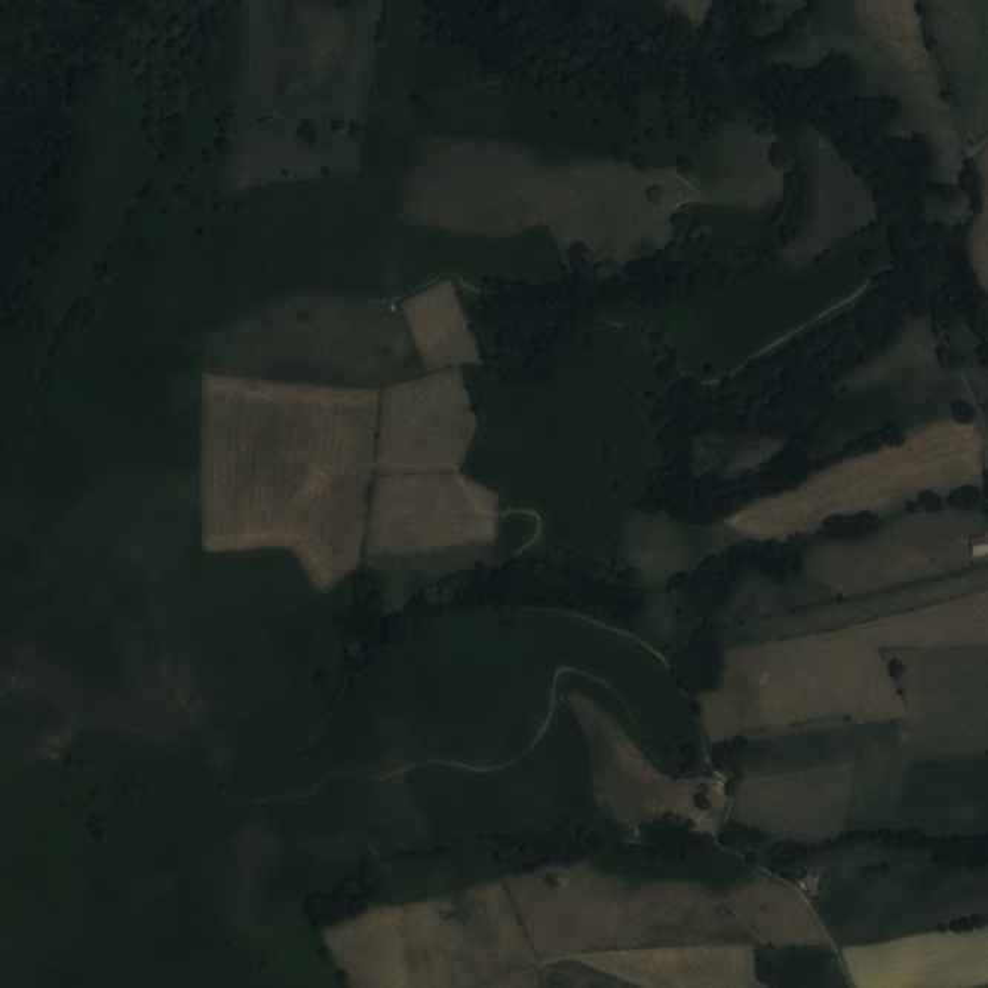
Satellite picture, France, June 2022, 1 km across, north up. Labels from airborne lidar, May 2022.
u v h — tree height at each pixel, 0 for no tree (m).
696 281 16
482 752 0
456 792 0
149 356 0
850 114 27
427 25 10
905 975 0
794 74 17
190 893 0
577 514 0
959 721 0
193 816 0
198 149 0
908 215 15
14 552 0
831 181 0
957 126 0
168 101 13
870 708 0
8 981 0
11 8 11
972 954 0
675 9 15
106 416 0
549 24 26
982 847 20
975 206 9
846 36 0
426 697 0
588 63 14
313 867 0
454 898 0
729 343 0
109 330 0
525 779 0
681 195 0
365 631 19
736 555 12
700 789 7
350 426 0
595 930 0
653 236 0
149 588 0
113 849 0
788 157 18
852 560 0
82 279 0
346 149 0
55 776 0
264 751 0
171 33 13
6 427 0
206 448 0
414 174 0
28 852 0
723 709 0
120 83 0
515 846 10
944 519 0
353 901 11
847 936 0
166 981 0
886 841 14
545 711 0
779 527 0
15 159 16
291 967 0
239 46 0
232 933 0
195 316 0
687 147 0
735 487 12
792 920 0
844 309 0
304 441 0
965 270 17
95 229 0
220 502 0
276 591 0
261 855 0
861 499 0
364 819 0
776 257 7
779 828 0
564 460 0
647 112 0
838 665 0
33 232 18
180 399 0
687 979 0
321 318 0
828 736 0
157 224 0
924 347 0
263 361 0
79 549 0
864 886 0
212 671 0
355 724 0
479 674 0
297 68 0
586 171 0
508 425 0
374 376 0
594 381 0
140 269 0
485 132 0
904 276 17
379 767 0
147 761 0
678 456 14
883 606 0
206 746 0
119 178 0
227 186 0
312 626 0
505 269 0
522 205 0
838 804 0
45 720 0
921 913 0
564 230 0
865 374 0
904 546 0
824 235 0
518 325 18
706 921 0
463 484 0
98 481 0
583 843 10
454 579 9
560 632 0
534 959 0
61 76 13
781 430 27
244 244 0
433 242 0
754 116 21
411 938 0
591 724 0
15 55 17
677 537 0
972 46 0
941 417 0
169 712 0
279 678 0
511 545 0
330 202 0
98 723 0
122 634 0
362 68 0
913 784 0
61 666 0
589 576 13
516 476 0
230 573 0
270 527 0
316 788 0
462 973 0
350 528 0
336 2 14
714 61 23
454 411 0
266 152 0
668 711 0
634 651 0
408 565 0
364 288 0
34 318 7
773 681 0
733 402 20
